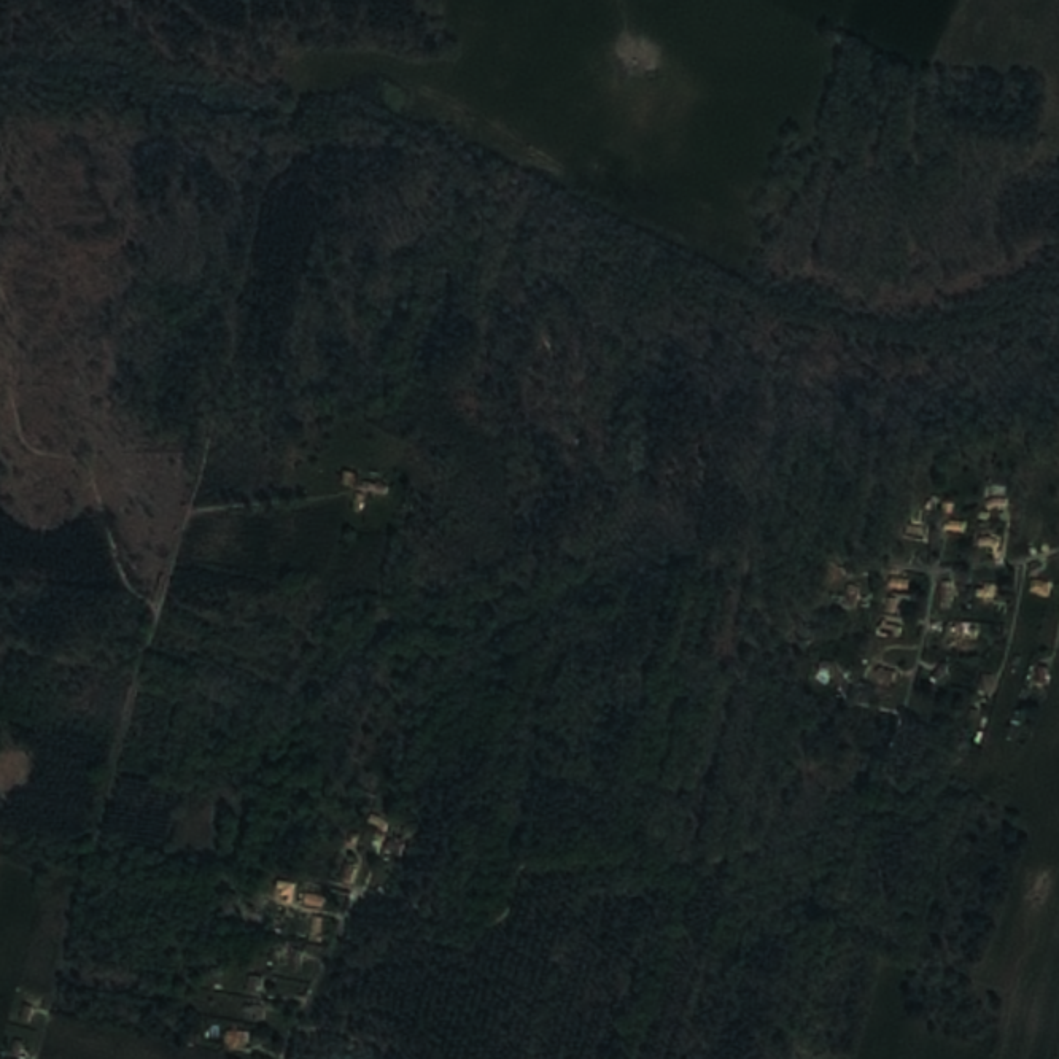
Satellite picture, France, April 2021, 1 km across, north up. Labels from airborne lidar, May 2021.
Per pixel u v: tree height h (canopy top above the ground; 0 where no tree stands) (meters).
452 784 20
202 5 12
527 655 18
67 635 16
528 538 26
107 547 8
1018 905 0
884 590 17
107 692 11
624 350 26
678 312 12
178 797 10
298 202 9
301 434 23
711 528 15
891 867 19
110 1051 0
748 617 14
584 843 23
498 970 14
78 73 12
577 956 6
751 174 0
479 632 21
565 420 15
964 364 15
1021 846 11
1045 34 0
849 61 18
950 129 16
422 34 12
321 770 21
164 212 11
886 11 0
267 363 7
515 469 17
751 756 16
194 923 21
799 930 14
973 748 7
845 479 21
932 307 6
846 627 15
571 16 0
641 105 0
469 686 18
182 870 19
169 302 15
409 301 16
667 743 15
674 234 0
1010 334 17
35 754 12
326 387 10
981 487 10
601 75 0
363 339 15
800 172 16
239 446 8
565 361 12
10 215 17
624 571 16
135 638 6
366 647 12
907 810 19
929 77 15
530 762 12
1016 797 0
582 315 26
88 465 15
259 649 9
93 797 14
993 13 0
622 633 14
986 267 13
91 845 19
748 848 19
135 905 18
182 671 17
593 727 16
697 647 13
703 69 0
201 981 14
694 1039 14
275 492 13
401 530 6
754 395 16
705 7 0
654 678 23
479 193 12
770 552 17
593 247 18
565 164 0
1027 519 0
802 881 14
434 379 26
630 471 21
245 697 18
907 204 21
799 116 0
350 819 14
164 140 16
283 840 18
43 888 8
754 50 0
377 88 0
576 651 18
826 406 14
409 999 17
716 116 0
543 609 16
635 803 22
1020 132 25
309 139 18
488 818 23
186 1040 14
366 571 0
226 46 21
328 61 0
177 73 9
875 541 18
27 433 9
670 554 10
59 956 0
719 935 18
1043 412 13
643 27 0
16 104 16
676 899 12
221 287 16
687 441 21
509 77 0
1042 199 21
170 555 16
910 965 13
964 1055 0
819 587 13
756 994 22
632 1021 23
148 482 0
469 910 16
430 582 9
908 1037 0
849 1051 14
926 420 13
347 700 13
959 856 11
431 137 14
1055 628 0
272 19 10
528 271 20
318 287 25
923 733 18
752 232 0
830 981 20
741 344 13
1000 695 0
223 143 13
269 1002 13
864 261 20
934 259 21
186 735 13
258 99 11
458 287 12
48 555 10
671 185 0
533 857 19
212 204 16
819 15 0
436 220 9
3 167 12
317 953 0
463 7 0
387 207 18
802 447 19
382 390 18
